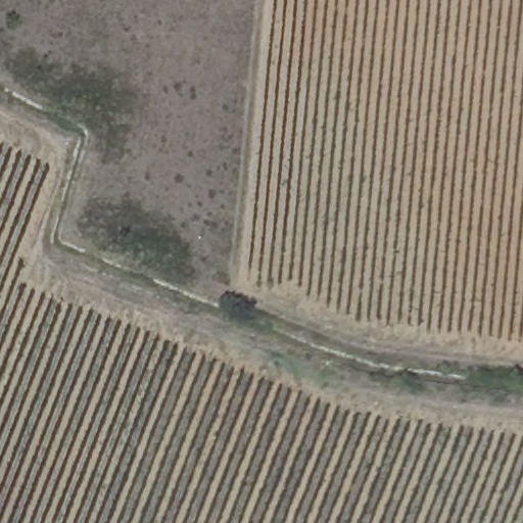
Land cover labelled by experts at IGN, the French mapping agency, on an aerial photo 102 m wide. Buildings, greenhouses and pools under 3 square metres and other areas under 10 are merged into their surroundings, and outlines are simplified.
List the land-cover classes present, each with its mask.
<instances>
[{"label":"vineyard","instance_id":"1","mask_svg":"<svg viewBox=\"0 0 523 523\"><path fill-rule=\"evenodd\" d=\"M235 292L253 298L255 306L266 311L298 325H306L308 321H313L333 339L380 353L413 355L433 362H460L468 366H523V0H264L259 61L255 80V108L251 125L249 176L245 194L243 235L239 247V274L233 280ZM49 174V163H43L41 159L37 163L31 161V155L22 153L20 147L8 149L6 157H0V523H523V437L515 433H501L498 443H492V431L460 427L456 435L449 427L443 425L431 429L427 421L417 417H411V421L396 419V423L388 419L384 423V429H378L380 417H376L374 421L370 419V413L353 415L341 407H331L329 402H315L304 390H300L296 396L290 392V386L284 384L278 386L276 392L272 390L270 378H259L257 382L253 380V374L227 364H223L219 370L215 368V358L208 355H202L198 364L194 362V351H184V347H178L172 341L161 339L159 335L153 337L151 343H147L151 331H145V337H139L137 325H127L125 333H118V319H106V323H100V313L88 311L86 321H80L82 306L78 304H67L65 311H61V304L51 298L49 304H43L45 294L41 290H31L27 288V284L20 282L25 259L18 253V247L31 223L45 178Z\"/></svg>","mask_w":523,"mask_h":523},{"label":"herbaceous vegetation","instance_id":"2","mask_svg":"<svg viewBox=\"0 0 523 523\"><path fill-rule=\"evenodd\" d=\"M264 0H0V106L20 116H35L39 118L41 127L65 135L69 139L63 157V168L57 170L55 186L51 190L53 204L49 206L47 227L43 235L45 253L57 249L61 253H67L76 259H82L98 268V272L112 274L123 278L125 282L145 286L153 290L159 298H170L172 302H176V313L223 317L219 306L221 296L225 292H235L233 280L239 274V247L243 235L245 194L249 176L251 125L255 108V80L259 61ZM215 329L233 331L239 339L251 341L253 347L264 351L276 368L290 372L294 380H313L321 388L337 390L343 380H353L362 388L382 386L386 390H407L411 394H425L429 398L439 396L443 400L456 402L482 400L494 407L523 409V366H468L460 362H433L413 355L380 353L333 339L313 321H308L306 325H298L266 311L264 317L259 315L245 327H239L235 321L223 317L215 325Z\"/></svg>","mask_w":523,"mask_h":523},{"label":"plowed land","instance_id":"3","mask_svg":"<svg viewBox=\"0 0 523 523\"><path fill-rule=\"evenodd\" d=\"M69 139L65 135L41 127L39 118L35 116H20L0 106V157H6L8 149L20 147L22 153L31 155V161L37 163L41 159L43 163H49V174L45 178L31 223L18 247V253L25 259L20 282L27 284V288L31 290H41L45 294L43 304H49L51 298L61 304V311H65L67 304H78L82 306L80 321H86L88 311L100 313V323H106V319H118V333H125L127 325H137L139 337H145V331H151L147 343H151L153 337L159 335L161 339L172 341L178 347H184V351H194V362L198 364L202 355H208L215 358V368L219 370L223 364H227L253 374V380L257 382L259 378H270L272 390L276 392L278 386L284 384L290 386V392L296 396L300 390H304L315 402H329L331 407H341L353 415L370 413V419L374 421L376 417H380L378 429H384V423L388 419L396 423V419L411 421V417H417L427 421L431 429L443 425L449 427L456 435L460 427L492 431V443H498L501 433H515L523 437V409L494 407L482 400L456 402L443 400L439 396L429 398L425 394H411L407 390H386L382 386L362 388L353 380H343L337 390L321 388L313 380H294L290 372L276 368L264 351L253 347L251 341L239 339L233 331L215 329V325L223 317L176 313V302H172L170 298H159L153 290L145 286L125 282L123 278L112 274L98 272V268L82 259H76L67 253H61L57 249L45 253L43 235L47 227L49 206L53 204L51 190L55 186L57 170L63 168V157Z\"/></svg>","mask_w":523,"mask_h":523},{"label":"deciduous trees","instance_id":"4","mask_svg":"<svg viewBox=\"0 0 523 523\"><path fill-rule=\"evenodd\" d=\"M219 306L223 317L235 321L239 327H245L259 315L264 317L266 311L255 306L253 298L235 292H225L221 296Z\"/></svg>","mask_w":523,"mask_h":523}]
</instances>
